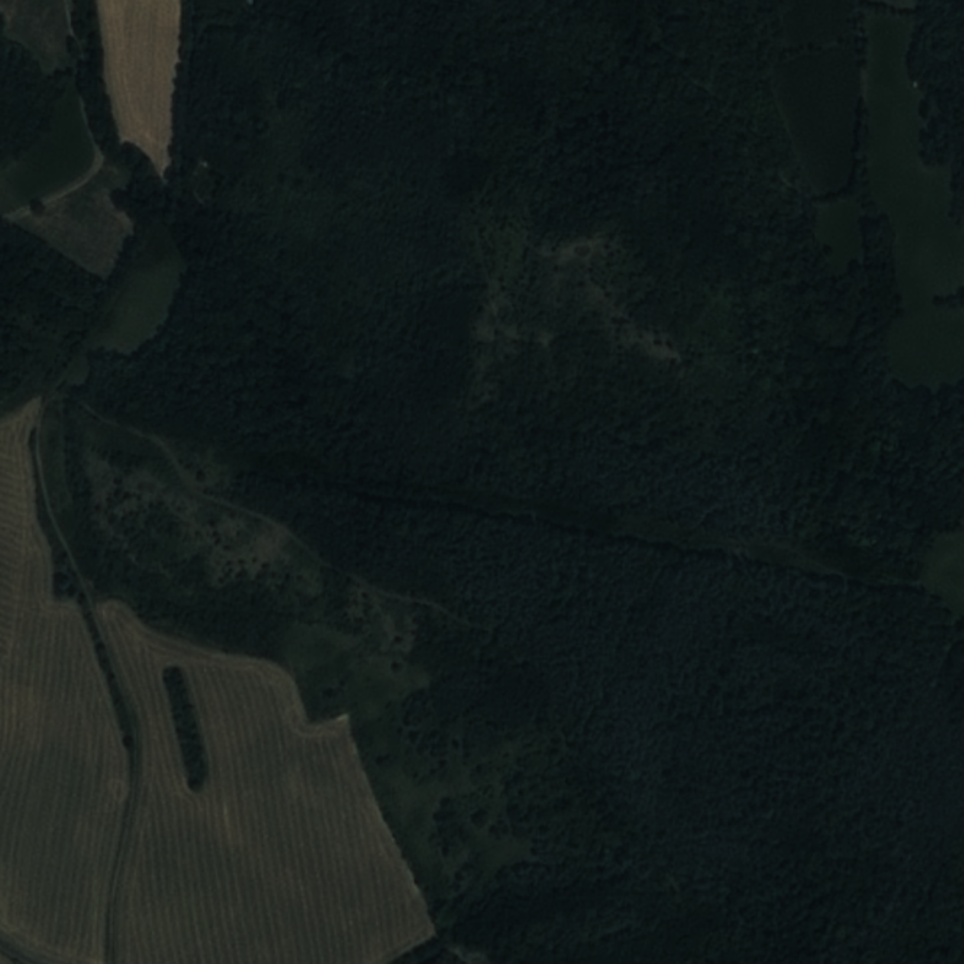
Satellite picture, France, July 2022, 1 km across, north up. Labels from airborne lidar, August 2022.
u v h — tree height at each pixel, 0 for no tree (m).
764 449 14
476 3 19
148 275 0
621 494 12
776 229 21
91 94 25
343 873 0
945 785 16
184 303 21
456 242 13
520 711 9
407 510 21
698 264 12
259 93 7
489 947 15
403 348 11
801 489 14
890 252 11
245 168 5
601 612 15
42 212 11
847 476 24
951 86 15
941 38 10
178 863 0
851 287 11
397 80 8
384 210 7
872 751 14
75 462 10
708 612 21
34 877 0
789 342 19
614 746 20
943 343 0
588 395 9
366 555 13
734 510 21
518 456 16
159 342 13
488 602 15
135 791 0
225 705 0
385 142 7
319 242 8
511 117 14
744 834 12
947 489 22
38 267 6
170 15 0
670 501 19
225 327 25
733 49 17
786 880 15
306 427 22
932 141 17
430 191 10
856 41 8
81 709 0
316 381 27
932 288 0
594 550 13
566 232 6
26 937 0
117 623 0
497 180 10
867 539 15
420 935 0
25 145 6
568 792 6
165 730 0
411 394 10
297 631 0
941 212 0
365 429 17
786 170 6
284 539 0
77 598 7
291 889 0
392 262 9
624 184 15
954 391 16
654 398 9
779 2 22
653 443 9
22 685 0
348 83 9
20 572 0
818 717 15
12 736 0
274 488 11
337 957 0
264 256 11
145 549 7
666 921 11
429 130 12
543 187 15
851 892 13
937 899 12
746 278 13
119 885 0
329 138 7
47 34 0
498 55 15
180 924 0
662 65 19
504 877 12
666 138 14
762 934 11
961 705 10
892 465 17
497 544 17
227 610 7
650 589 15
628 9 11
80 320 12
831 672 19
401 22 13
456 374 12
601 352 6
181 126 15
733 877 15
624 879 16
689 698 22
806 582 15
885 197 0
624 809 12
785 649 23
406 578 10
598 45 23
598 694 10
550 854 12
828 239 0
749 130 19
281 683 0
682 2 9
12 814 0
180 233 15
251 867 0
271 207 6
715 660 15
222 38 11
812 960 15
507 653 12
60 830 0
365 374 11
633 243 10
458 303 9
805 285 20
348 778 0
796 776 21
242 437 11
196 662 0
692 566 19
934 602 13
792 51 10
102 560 10
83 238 0
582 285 7
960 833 12
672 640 24
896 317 9
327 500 9
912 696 17
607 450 18
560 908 15
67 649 0
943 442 24
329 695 11
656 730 21
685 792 18
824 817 11
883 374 20
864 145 12
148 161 21
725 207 12
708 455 11
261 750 0
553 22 22
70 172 0
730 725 18
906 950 17
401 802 0
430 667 8
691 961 13
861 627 18
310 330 14
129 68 0
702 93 11
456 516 20
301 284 16
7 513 0
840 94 0
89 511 7
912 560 15
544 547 19
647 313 9
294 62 16
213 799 0
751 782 13
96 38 10
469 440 8
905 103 0
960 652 18
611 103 24
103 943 0
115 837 0
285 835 0
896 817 11
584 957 10
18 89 11
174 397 21
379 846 0
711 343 10
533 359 6
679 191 14
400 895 0
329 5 11
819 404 27
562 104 23
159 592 8
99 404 11
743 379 12
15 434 0
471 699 12
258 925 0
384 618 0
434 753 7
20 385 13
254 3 8
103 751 0
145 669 0
